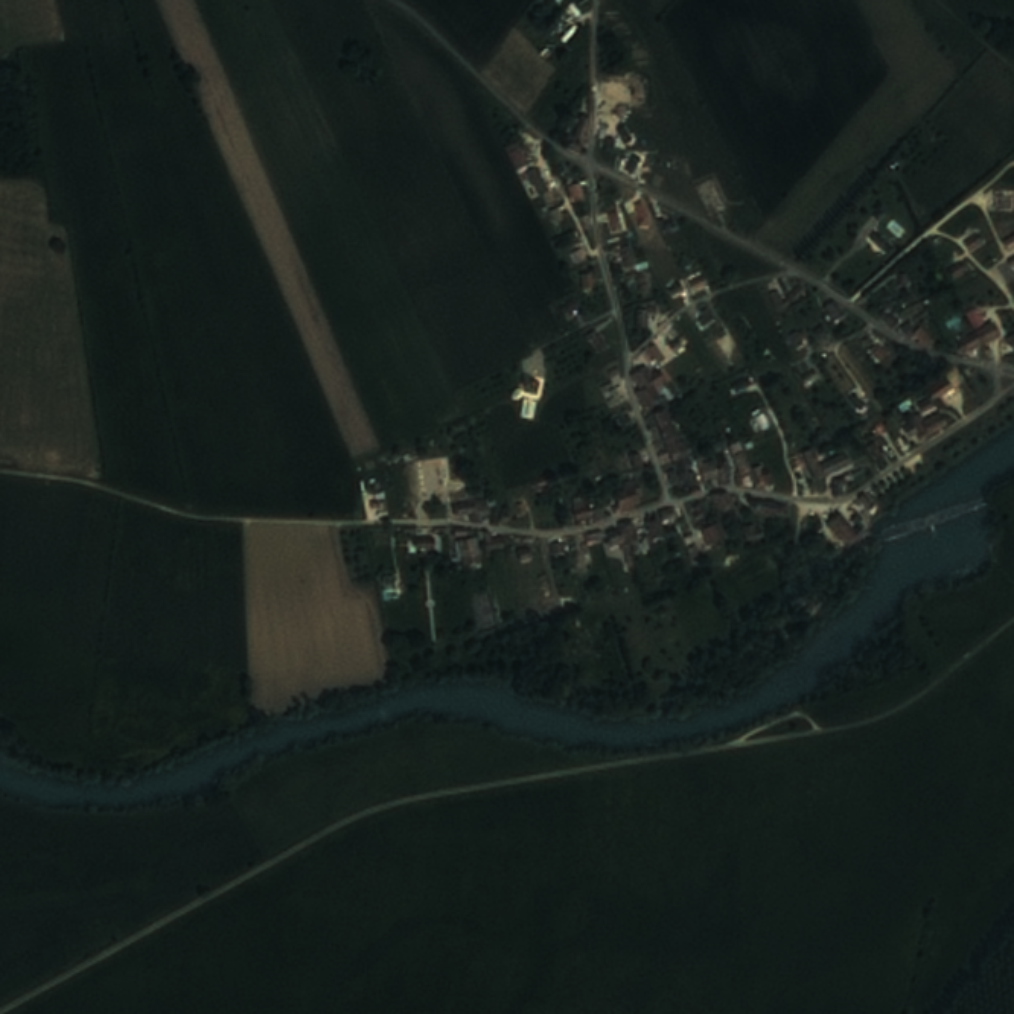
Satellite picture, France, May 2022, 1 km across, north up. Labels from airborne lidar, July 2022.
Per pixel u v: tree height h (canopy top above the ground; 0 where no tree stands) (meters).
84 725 0
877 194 8
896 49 0
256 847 0
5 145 23
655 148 0
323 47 0
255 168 0
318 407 0
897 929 0
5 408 0
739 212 0
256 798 0
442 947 0
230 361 0
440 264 0
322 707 15
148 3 0
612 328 0
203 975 0
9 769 0
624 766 0
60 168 0
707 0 0
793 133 0
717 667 20
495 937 0
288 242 0
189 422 0
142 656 0
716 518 8
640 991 0
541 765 0
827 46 0
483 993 0
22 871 0
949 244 0
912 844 0
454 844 0
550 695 27
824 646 0
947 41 0
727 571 0
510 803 0
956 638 0
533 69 0
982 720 0
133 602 0
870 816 0
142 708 0
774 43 0
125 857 0
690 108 0
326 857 0
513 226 0
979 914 0
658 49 0
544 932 0
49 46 0
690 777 0
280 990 0
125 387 0
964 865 0
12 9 0
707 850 0
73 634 0
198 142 0
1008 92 0
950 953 0
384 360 0
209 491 0
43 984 0
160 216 0
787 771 0
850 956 0
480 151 0
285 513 0
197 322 0
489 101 0
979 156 0
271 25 0
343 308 0
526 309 0
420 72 0
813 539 16
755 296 0
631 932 0
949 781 0
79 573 0
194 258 0
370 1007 0
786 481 0
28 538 0
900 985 0
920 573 0
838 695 11
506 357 0
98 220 0
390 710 0
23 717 0
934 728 0
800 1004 0
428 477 0
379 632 0
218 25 0
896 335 0
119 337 0
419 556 10
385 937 0
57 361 0
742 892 0
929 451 0
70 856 0
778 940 0
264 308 0
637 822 0
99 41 0
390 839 0
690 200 0
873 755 0
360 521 0
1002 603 0
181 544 0
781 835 0
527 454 0
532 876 0
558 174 10
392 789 0
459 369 0
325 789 0
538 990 0
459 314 0
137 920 0
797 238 0
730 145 0
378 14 0
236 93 0
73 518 0
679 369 0
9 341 0
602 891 0
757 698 0
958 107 0
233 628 0
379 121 0
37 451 0
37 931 0
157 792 0
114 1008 0
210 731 0
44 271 0
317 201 0
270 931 0
